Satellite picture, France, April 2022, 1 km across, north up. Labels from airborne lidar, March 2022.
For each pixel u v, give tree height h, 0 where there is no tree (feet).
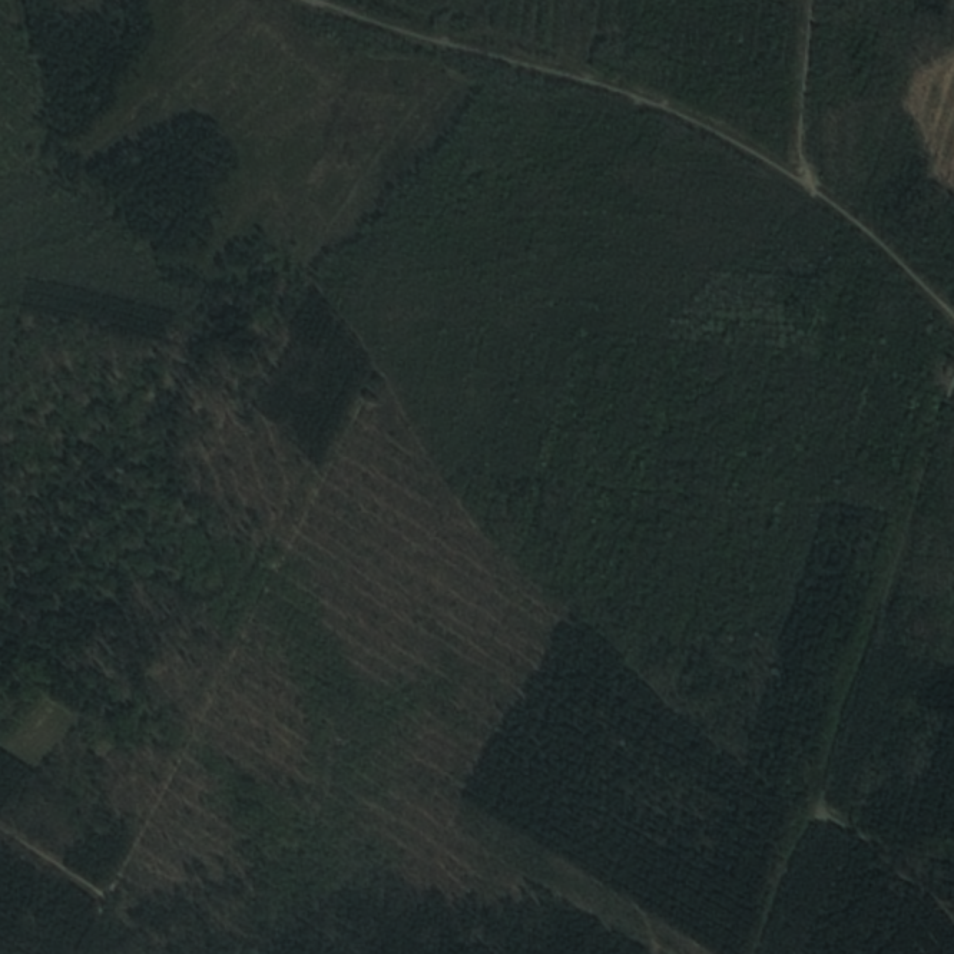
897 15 39
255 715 0
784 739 64
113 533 54
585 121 37
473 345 43
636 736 62
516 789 67
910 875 58
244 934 62
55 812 65
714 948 70
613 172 39
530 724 62
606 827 55
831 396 48
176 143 75
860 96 32
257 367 63
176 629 69
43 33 60
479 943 76
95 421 73
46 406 48
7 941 55
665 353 48
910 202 59
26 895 70
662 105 0
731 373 50
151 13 67
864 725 55
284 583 49
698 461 56
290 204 0
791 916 59
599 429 43
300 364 46
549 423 53
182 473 59
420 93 0
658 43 58
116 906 33
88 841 68
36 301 43
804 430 36
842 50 41
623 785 68
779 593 41
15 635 52
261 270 58
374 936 76
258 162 0
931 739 55
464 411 50
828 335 47
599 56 51
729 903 72
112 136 0
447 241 31
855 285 59
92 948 59
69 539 75
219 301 67
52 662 65
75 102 73
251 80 0
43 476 0
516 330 48
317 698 40
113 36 64
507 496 59
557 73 0
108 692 65
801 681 78
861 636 47
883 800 70
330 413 51
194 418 57
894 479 49
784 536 42
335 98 0
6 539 54
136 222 65
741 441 42
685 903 65
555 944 68
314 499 0
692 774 47
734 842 62
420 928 73
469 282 45
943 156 0
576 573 51
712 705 55
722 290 63
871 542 57
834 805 56
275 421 56
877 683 53
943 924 52
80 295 51
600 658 59
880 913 64
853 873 73
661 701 67
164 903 68
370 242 44
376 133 0
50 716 0
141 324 56
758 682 54
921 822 82
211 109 0
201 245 72
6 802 63
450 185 30
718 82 47
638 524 44
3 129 0
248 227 0
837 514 58
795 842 40
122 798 65
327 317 61
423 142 0
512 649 0
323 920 64
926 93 0
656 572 43
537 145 31
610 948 67
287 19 0
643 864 52
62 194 41
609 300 36
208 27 0
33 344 68
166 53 0
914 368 43
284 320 62
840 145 0
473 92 0
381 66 0
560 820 55
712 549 48
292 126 0
